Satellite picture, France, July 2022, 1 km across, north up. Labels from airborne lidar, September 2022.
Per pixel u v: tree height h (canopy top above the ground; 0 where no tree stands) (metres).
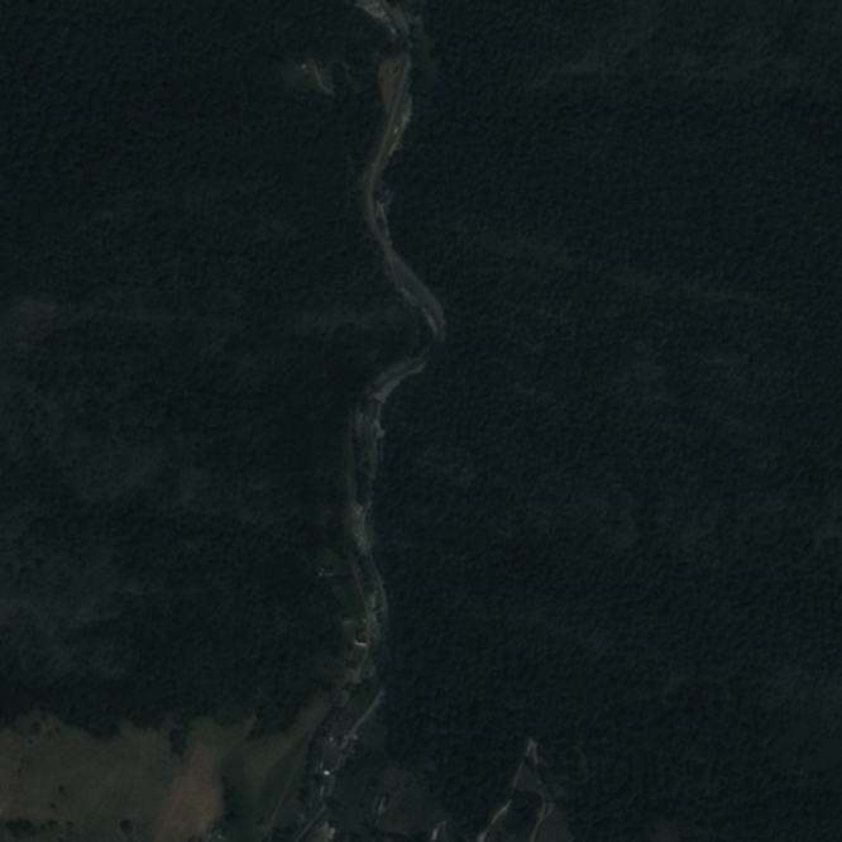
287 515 12
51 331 8
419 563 17
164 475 9
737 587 19
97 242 16
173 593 14
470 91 20
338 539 16
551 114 20
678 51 8
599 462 16
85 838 0
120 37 28
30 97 19
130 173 17
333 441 10
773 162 9
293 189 21
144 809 0
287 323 9
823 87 6
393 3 18
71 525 18
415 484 18
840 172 8
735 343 15
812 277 21
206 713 22
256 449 15
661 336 19
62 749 0
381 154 0
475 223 8
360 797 0
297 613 14
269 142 24
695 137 9
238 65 18
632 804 21
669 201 6
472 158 11
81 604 0
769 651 14
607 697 22
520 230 7
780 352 10
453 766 26
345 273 14
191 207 8
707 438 7
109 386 14
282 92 16
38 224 17
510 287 10
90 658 8
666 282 14
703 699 26
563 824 0
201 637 21
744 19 6
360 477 12
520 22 21
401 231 10
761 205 14
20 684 22
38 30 31
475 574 21
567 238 6
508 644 12
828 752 7
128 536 8
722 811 19
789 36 12
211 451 15
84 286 15
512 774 17
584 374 8
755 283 14
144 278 13
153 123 22
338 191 16
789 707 11
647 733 23
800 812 11
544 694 18
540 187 19
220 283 11
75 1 29
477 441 14
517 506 7
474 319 12
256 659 9
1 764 0
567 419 8
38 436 16
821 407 15
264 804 0
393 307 7
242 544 8
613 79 8
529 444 13
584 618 14
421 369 0
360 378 16
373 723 0
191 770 0
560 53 10
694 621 22
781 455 9
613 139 10
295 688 16
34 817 0
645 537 19
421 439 17
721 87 21
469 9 20
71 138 24
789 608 19
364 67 30
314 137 8
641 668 9
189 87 19
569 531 10
